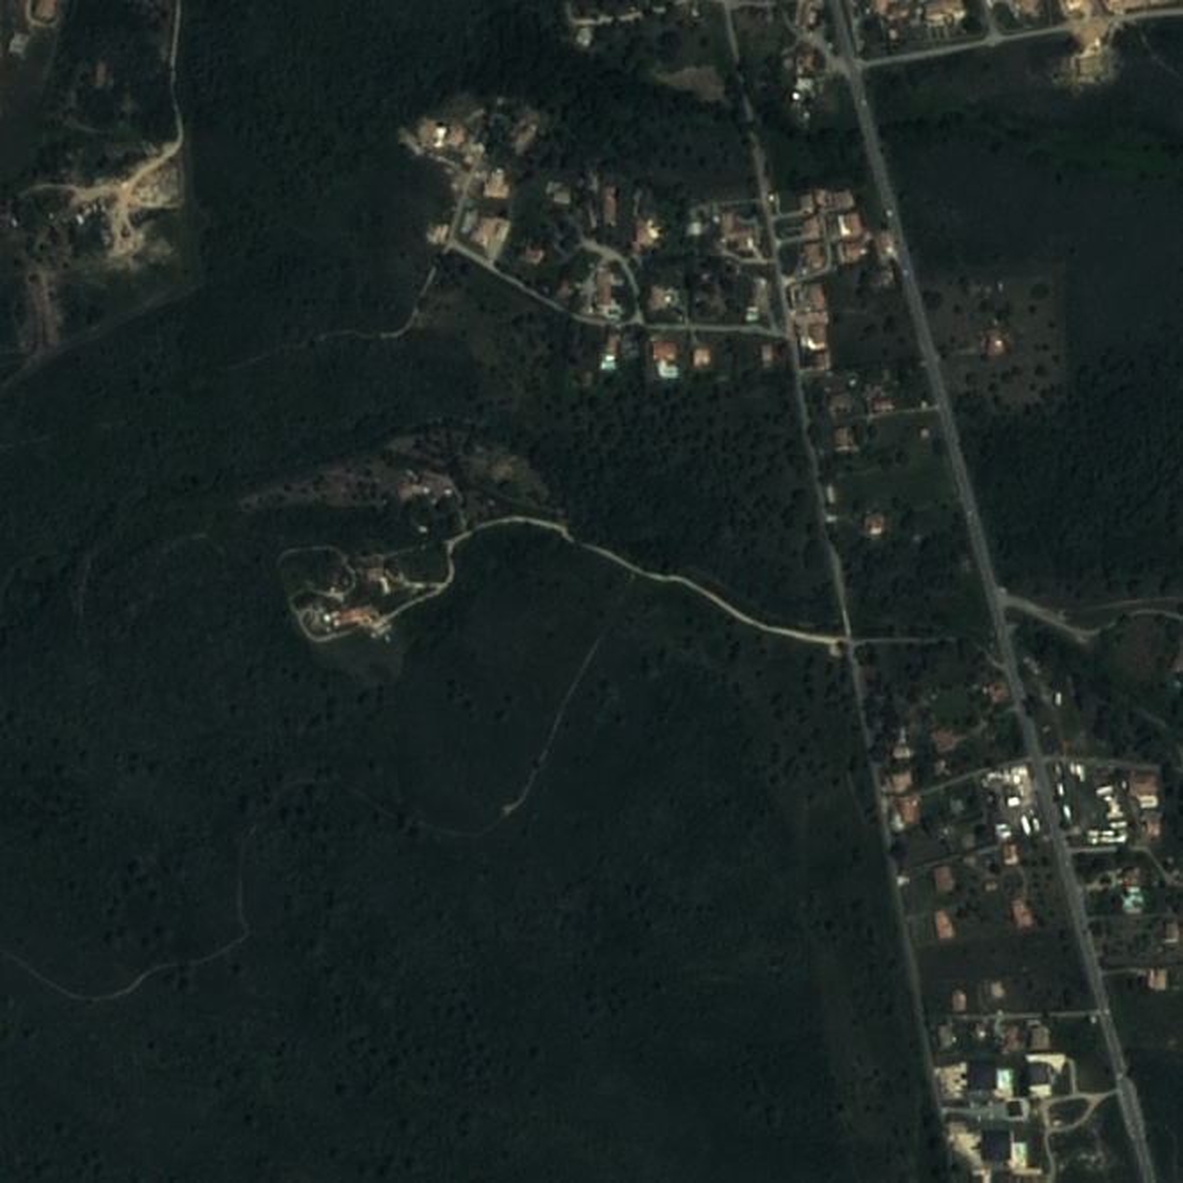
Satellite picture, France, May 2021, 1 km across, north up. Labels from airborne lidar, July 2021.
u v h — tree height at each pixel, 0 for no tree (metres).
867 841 0
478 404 13
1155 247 0
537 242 15
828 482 8
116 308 0
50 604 6
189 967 9
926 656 10
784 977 8
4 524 7
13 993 8
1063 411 10
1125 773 8
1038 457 11
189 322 6
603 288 0
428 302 7
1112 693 7
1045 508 7
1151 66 0
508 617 0
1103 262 0
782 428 8
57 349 0
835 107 0
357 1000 7
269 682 7
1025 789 0
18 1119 8
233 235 6
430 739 0
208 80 10
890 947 0
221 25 9
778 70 10
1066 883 0
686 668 7
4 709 9
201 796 7
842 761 0
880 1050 0
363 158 11
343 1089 15
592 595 0
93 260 0
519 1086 7
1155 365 8
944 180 0
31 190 0
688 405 11
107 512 11
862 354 0
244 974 14
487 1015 6
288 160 9
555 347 10
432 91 8
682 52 17
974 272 0
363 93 8
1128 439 7
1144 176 7
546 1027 7
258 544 6
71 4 6
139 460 6
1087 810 0
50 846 9
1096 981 0
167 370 10
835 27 8
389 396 6
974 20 11
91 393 9
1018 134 10
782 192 0
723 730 7
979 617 0
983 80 0
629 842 6
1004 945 0
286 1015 6
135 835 6
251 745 8
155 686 6
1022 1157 0
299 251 7
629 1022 7
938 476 0
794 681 0
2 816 6
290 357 6
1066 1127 0
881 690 11
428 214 0
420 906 7
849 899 0
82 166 0
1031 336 0
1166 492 12
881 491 0
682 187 7
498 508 10
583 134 14
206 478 7
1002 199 0
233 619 10
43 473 8
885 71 5
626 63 10
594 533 6
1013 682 0
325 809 9
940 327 0
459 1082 5
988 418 8
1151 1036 0
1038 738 0
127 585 7
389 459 9
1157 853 0
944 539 9
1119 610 0
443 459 9
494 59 9
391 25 7
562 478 9
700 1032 6
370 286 7
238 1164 5
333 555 10
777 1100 8
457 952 8
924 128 13
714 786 6
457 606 7
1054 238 0
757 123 10
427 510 11
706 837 6
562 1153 6
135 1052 0
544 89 15
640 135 14
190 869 8
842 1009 0
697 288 18
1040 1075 0
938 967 0
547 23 8
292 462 10
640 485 13
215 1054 10
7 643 12
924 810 0
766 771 10
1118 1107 0
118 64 6
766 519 10
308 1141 6
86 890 8
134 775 12
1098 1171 0
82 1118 5
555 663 0
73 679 5
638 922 7
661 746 12
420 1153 6
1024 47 0
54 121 7
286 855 7
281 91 7
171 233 0
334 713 14
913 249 6
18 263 10
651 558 12
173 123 7
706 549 9
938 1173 13
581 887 8
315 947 16
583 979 6
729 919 6
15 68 0
